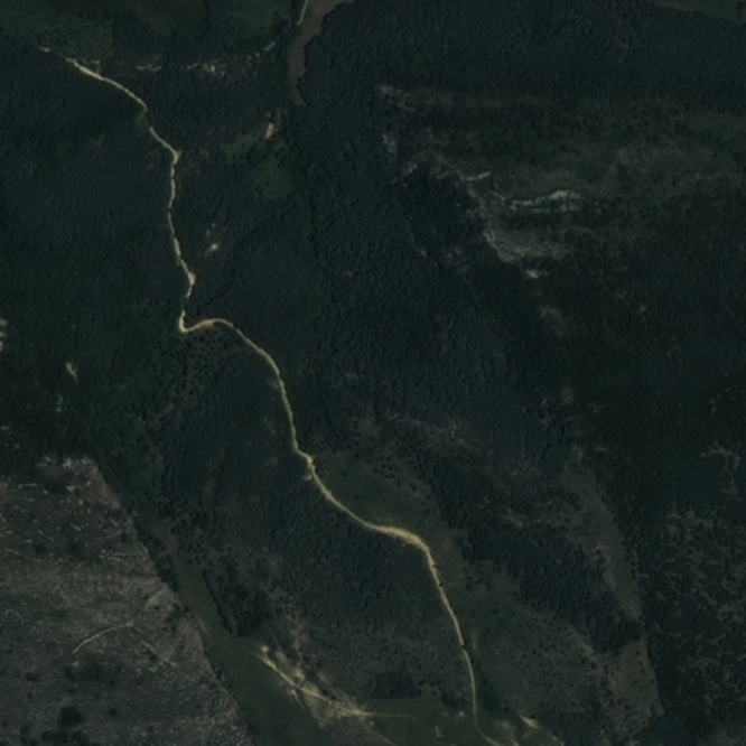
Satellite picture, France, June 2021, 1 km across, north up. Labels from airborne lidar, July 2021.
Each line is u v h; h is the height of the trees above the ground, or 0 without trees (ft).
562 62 46
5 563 0
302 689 0
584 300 26
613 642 31
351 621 22
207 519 38
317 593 19
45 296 29
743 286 25
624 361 28
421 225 36
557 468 25
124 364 29
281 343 38
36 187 42
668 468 25
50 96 41
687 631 31
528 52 46
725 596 27
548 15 22
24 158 30
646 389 30
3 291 27
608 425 26
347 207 42
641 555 31
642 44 32
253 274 29
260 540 38
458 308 35
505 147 23
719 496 26
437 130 20
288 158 19
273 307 34
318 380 25
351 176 45
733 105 23
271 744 0
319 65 41
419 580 22
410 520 0
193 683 0
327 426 34
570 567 34
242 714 0
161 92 43
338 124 35
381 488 0
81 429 30
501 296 23
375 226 48
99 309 35
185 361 44
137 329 22
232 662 0
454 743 0
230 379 28
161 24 0
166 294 40
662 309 28
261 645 0
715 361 31
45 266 44
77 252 35
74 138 34
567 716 20
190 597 0
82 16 27
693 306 23
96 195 38
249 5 0
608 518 0
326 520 36
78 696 0
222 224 21
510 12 34
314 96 48
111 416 26
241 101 34
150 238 36
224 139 33
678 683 22
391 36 25
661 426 27
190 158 31
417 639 18
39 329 33
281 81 37
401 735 0
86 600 0
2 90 43
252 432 25
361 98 31
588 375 34
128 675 0
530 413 39
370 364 37
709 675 31
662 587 23
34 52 42
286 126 20
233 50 38
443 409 18
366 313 29
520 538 26
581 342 26
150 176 28
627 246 23
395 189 34
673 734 36
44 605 0
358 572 33
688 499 31
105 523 0
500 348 50
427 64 20
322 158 48
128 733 0
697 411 20
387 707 0
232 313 33
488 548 28
